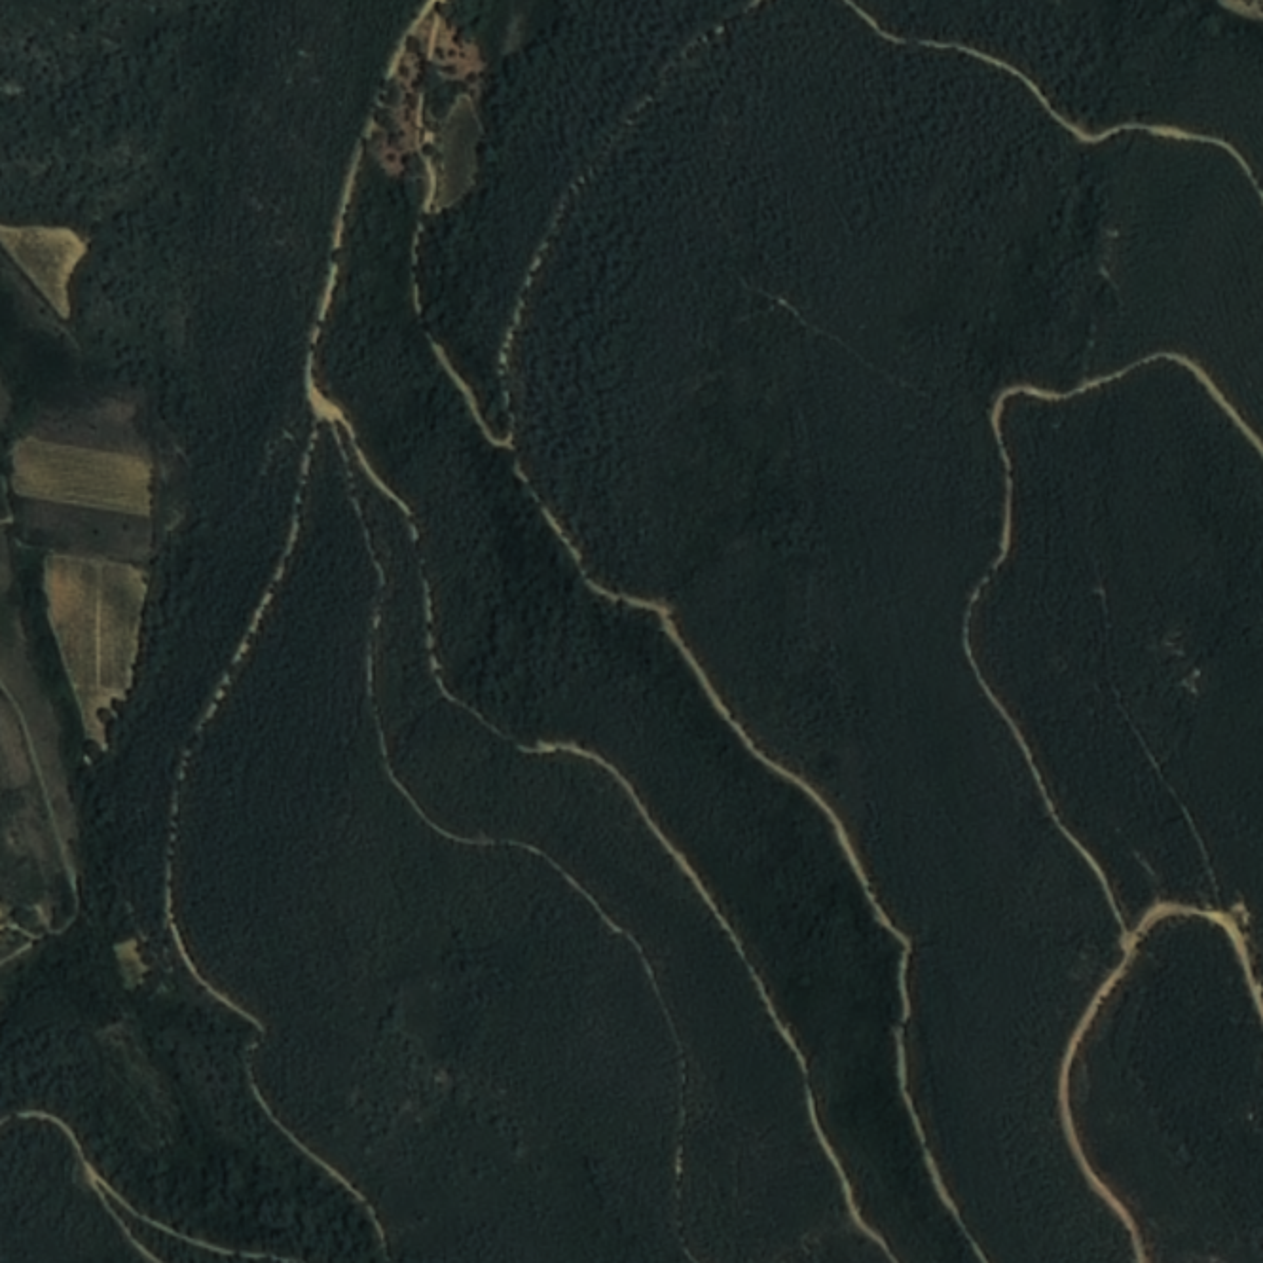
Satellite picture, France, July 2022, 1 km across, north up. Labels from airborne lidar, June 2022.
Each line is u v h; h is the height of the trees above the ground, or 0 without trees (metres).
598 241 14
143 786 8
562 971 6
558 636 14
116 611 0
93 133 9
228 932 9
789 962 7
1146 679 10
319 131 6
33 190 7
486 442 7
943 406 10
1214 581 9
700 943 13
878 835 8
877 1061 6
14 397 7
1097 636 11
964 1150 6
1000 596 7
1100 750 8
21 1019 12
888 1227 6
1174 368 7
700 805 9
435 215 6
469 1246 7
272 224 6
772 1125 8
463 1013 6
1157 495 11
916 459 7
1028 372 8
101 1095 9
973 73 15
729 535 6
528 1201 7
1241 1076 8
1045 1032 6
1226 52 7
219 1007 7
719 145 6
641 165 12
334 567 9
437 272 19
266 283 6
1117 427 9
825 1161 6
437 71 21
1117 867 7
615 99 12
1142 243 6
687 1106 6
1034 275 13
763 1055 14
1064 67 17
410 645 9
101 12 8
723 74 11
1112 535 9
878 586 6
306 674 9
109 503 0
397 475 9
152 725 8
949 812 7
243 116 8
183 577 10
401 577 9
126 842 8
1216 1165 8
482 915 6
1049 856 6
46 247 0
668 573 8
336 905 6
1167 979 7
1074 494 10
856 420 7
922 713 8
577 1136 9
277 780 8
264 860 8
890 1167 9
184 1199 9
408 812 7
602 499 9
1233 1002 8
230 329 7
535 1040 5
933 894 6
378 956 6
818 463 7
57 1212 7
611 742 7
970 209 11
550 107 9
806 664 7
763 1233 6
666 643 7
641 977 6
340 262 13
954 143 12
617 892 7
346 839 6
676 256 8
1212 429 11
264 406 9
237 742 8
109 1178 10
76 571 0
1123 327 6
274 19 8
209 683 9
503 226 9
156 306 7
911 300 5
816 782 6
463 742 9
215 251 6
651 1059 6
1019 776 6
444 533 13
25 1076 13
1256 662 14
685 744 13
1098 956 6
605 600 12
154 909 7
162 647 16
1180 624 10
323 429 8
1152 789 8
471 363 6
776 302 7
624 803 6
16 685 0
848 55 7
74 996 7
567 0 14
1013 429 10
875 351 6
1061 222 10
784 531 10
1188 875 6
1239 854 7
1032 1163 6
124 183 8
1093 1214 6
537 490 8
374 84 10
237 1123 7
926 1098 7
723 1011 11
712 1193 6
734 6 17
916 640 6
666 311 5
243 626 7
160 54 10
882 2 8
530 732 11
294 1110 7
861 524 6
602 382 14
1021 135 12
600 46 14
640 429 6
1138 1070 8
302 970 7
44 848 0
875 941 8
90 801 6
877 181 12
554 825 9
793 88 7
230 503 8
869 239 7
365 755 6
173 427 12
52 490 0
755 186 9
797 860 6
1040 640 9
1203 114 6
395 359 9
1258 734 8
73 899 10
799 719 10
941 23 8
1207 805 9
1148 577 7
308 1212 19
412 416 6
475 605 14
